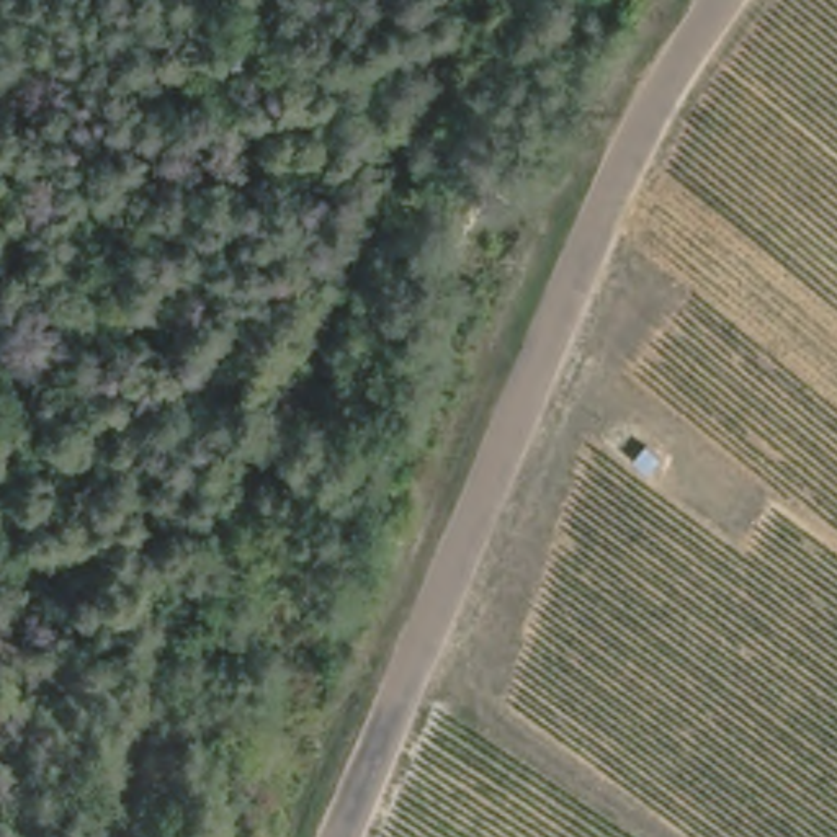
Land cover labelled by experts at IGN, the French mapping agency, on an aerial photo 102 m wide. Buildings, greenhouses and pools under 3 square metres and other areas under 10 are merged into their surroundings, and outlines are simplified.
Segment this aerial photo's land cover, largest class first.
<instances>
[{"label":"coniferous trees","instance_id":"1","mask_svg":"<svg viewBox=\"0 0 837 837\"><path fill-rule=\"evenodd\" d=\"M235 3L258 7V29L268 39V46L281 56H294V75L288 82L255 92L248 88V82L262 72V65L252 52L245 56V62L213 59L209 29L213 23H229L235 16ZM504 0H0V526L10 546L23 553L33 569L23 582H7L0 575V837H288L294 801L271 781L275 768L288 759L284 745H275V726L281 706L288 713L324 709L337 674L347 667L353 654L350 641L314 638V624L330 621L333 608L337 595L347 585H360L369 575V533L360 543H327L320 549V562L307 559L298 566L284 543V526L265 530L262 539H255L252 530H242L239 543L219 546L222 562L209 572L196 569V553L216 539L213 523L229 517L242 504V477L248 464H265L278 451V396H284L294 409L311 412L320 399V389H327L337 379V392L350 396L360 356L369 353L366 333L373 327H383L386 337H399L409 350L396 366H383L369 379V399L379 405V415L350 435L347 468L356 458L373 454L389 438V432H409V425L425 422L441 409L445 373L454 360L451 337L464 314H474V301L468 298L464 281L471 268L468 248L474 245V232L481 222V213L474 209L477 193L487 196L500 180L510 190H517L536 177V170L562 167V150L592 128V95L598 88V78H592L585 69L605 62L618 26L631 36V43L641 39L651 0H510V20L497 29L494 59L481 69L477 78L461 82V62L454 49L461 43V23H484L490 10ZM183 65H203L216 78L222 108L239 114L229 134L213 128L196 95L177 88L186 78ZM128 190H137L147 206H157V219L150 222L157 235V258L137 262L134 278L144 294L134 298V311L121 304L92 307V301L78 298V278L65 275L72 262V232L82 219H108L111 213H121ZM62 369H78V392L92 396L95 409L101 412L88 425H75L65 409H52L46 402L52 379ZM262 562H271L275 569V608H252L245 595V575ZM324 464V438L320 432H311L301 458L284 477L298 497L304 494L307 477ZM356 484L350 477H340L333 484H324L320 510L347 520L356 510Z\"/></svg>","mask_w":837,"mask_h":837},{"label":"vineyard","instance_id":"2","mask_svg":"<svg viewBox=\"0 0 837 837\"><path fill-rule=\"evenodd\" d=\"M628 232L621 242L641 252L654 268L670 275L677 284L693 291L690 320L680 327L674 317L664 314L660 324L651 327V333L641 340L638 353L624 363L634 392L651 386L654 396H660L680 415H687L690 425L716 438L752 474L772 484L778 497L762 504L755 523L768 526V533L749 556L736 546L713 539L664 494L647 487L641 474L621 468L618 461H611L605 448H598L585 468L589 477L582 484V497L575 500L569 523L575 549L556 562L553 592L543 608L539 631L533 638L530 664L523 667V690L517 693V709L539 723L553 739L592 755L605 775L618 778L631 794L667 814L674 824H683L690 837H837V0H755L723 43L719 56L703 72L700 85L690 92L687 108L680 111V118L660 144V154L644 157L641 173L628 190L618 219ZM366 824L356 837H634L624 827H618L608 814L589 808L579 794L543 775L539 768L487 742L477 732V713L471 706L451 713L445 700H435L432 709L422 706L419 716H402L399 732L386 752L379 785L363 814Z\"/></svg>","mask_w":837,"mask_h":837},{"label":"herbaceous vegetation","instance_id":"3","mask_svg":"<svg viewBox=\"0 0 837 837\"><path fill-rule=\"evenodd\" d=\"M690 0H651L641 39L631 43V36L618 26L605 62L585 69L592 78H598V88L592 95V128L562 150V167L536 170V177L517 190H510L500 180L487 196L477 193L474 209L481 213V222L474 232V245L468 248L471 268L464 281L468 298L474 301V314H464L451 337L454 360L445 373L441 409L425 422L409 425V445L428 441L435 445V451L409 481V526L392 539L389 566H399V585L392 589V595H376L360 618H343L333 608L330 621L314 624V638L350 641L353 654L347 667L337 674L324 709L288 713L281 706L275 726V745H284L288 759L275 768L271 781L294 801L288 837H314L320 811L333 791V778L366 716L376 683L389 664L396 634L419 598L435 546L468 481L490 412L520 360L526 330L553 278L566 235L598 170L605 141L615 131V121L621 118L641 72L651 65L670 29L680 23ZM693 291L677 284L670 275L654 268L641 252L621 242L608 281L592 304V317L582 330L579 347H569L559 363V389L549 392V402L543 409V438L523 464L513 497L490 526V549L484 553L487 572L474 569L454 628L445 638L435 664L438 683H432V690L422 693V706L432 709L435 700H445L451 713L471 706L477 713V732L487 742L539 768L543 775L579 794L589 808L608 814L618 827H624L634 837H690L683 824H674L667 814L631 794L618 778L605 775L592 755L553 739L539 723L517 709V693L523 690V667L530 664L533 638L539 631L543 608L553 592L556 562L575 549L569 523L575 500L582 497V484L589 477L585 468L598 448H605L611 461H618L621 468L641 474L647 487L664 494L713 539L736 546L749 556L768 533V526L755 523L762 504L778 497L772 484L752 474L716 438L690 425L687 415H680L660 396H654L651 386L634 392L624 363L638 353L641 340L651 333V327L660 324L664 314L674 317L680 327L690 320Z\"/></svg>","mask_w":837,"mask_h":837},{"label":"impervious surface","instance_id":"4","mask_svg":"<svg viewBox=\"0 0 837 837\"><path fill-rule=\"evenodd\" d=\"M755 0H690L680 23L670 29L651 65L641 72L621 118L615 121V131L605 141L598 170L566 235L553 278L526 330L520 360L490 412L468 481L435 546L419 598L396 634L389 664L376 683L366 716L333 778V791L320 811L314 837H356L366 824L363 814L379 785L386 752L399 732L402 716H419L422 706V693L432 690V683H438L435 664L445 638L454 628L474 569L487 572L484 553L490 549V526L513 497L523 464L543 438V409L549 402V392L559 389V363L569 347H579L582 330L592 317V304L608 281L621 242L628 232L618 219L628 190L641 173L644 157L660 154V144L680 118V111L687 108L690 92L700 85L703 72L719 56L723 43Z\"/></svg>","mask_w":837,"mask_h":837},{"label":"deciduous trees","instance_id":"5","mask_svg":"<svg viewBox=\"0 0 837 837\"><path fill-rule=\"evenodd\" d=\"M510 20V0H504L490 10L484 23H461V43L454 49L461 62V82L477 78L481 69L494 59L497 29ZM213 59L245 62V56L252 52L262 65V72L248 82V88L255 92L288 82L294 75V56H281L268 46V39L258 29V7L235 3V16L229 23H213L209 29ZM186 78L177 88L196 95L213 128L229 134L239 114L222 108L216 78L203 65H183ZM157 219V206H147L137 190H128L121 213H111L108 219H82L72 232V262L65 275L78 278V298L92 301V307L121 304L134 311V298L144 294L134 278L137 262L157 258V235L150 222ZM369 353L360 356L350 396L337 392V379L327 389H320V399L311 412L294 409L284 396H278V451L265 464H248L242 477V504L229 517L213 523L216 539L196 553V569L209 572L222 562L219 546L239 543L242 530H252L255 539H262L265 530L284 526V543L298 566L307 559L320 562V549L327 543H360L369 533V575L360 585H347L337 595L333 608L343 618H360L376 595H392V589L399 585V566H389L392 539L409 526V481L435 451V445L428 441L409 445V432H389V438L373 454L356 458L347 468L350 435L379 415V405L369 399V379L383 366H396L409 350L399 337H386L383 327H373L366 333ZM311 432H320L324 438V464L307 477L304 494L298 497L284 477L301 458ZM340 477H350L356 484V510L347 520L320 510L324 484H333ZM46 402L52 409H65L75 425H88L101 412L95 409L92 396L78 392V369H62L52 379ZM33 569L23 553L10 546L0 526V575L7 582H23ZM275 569L271 562H262L245 575V595L252 608H275Z\"/></svg>","mask_w":837,"mask_h":837}]
</instances>
